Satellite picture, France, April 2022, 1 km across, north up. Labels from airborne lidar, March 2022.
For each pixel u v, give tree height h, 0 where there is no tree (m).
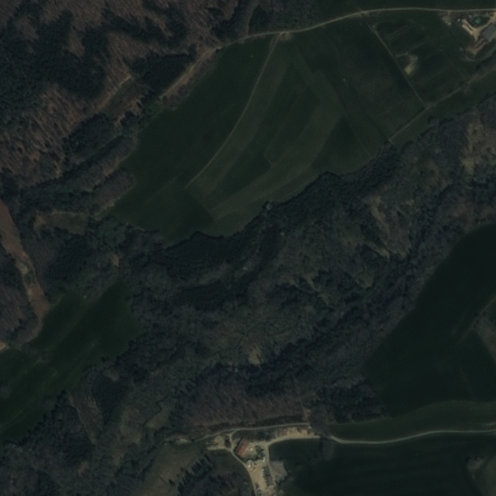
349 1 0
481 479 0
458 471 0
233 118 0
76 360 0
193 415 25
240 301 26
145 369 25
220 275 23
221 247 12
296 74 0
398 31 0
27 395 0
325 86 0
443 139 19
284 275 20
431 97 0
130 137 18
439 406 0
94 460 23
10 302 29
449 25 0
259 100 0
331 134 0
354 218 27
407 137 0
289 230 16
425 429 0
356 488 0
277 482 0
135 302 10
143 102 0
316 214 18
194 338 22
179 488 0
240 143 0
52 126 25
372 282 0
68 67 24
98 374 17
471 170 0
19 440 0
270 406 19
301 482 0
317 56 0
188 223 0
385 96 0
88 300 16
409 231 0
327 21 0
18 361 0
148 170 0
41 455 10
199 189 0
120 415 16
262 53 0
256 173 0
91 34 25
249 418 22
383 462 0
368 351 17
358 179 15
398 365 0
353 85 0
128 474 11
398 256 7
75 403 0
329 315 15
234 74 0
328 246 14
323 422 22
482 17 0
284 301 23
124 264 10
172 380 14
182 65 24
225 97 0
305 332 12
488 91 0
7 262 25
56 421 24
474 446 0
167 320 26
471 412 0
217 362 0
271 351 14
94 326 0
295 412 21
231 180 0
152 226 0
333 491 0
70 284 27
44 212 29
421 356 0
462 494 0
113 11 20
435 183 0
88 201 26
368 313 13
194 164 0
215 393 28
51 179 30
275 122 0
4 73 24
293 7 17
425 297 0
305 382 10
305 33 0
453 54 0
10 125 14
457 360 0
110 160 30
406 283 10
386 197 7
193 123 0
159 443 7
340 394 24
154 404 0
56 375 0
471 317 0
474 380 0
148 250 21
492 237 0
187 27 22
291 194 0
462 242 0
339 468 0
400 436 0
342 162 0
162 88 22
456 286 0
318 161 0
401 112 0
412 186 17
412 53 0
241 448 0
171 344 24
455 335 0
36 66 24
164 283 24
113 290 0
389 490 0
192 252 17
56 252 24
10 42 24
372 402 18
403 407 0
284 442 0
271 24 19
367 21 0
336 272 22
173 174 0
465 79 0
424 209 13
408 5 0
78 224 0
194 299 10
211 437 0
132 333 0
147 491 0
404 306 28
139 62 26
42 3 21
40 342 0
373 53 0
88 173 27
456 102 0
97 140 28
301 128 0
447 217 28
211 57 0
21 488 25
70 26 24
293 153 0
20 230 23
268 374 28
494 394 0
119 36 21
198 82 15
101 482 17
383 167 14
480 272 0
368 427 0
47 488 26
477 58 0
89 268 28
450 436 0
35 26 20
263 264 11
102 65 22
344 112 0
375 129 0
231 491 17
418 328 0
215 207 0
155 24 23
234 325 24
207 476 15
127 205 0
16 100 18
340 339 19
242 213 0
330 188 18
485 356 0
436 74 0
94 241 19
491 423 0
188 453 0
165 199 0
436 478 0
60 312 0
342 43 0
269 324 8
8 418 0
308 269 14
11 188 24
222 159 0
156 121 0
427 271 17
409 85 0
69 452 23
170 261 18
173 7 22
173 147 0
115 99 0
